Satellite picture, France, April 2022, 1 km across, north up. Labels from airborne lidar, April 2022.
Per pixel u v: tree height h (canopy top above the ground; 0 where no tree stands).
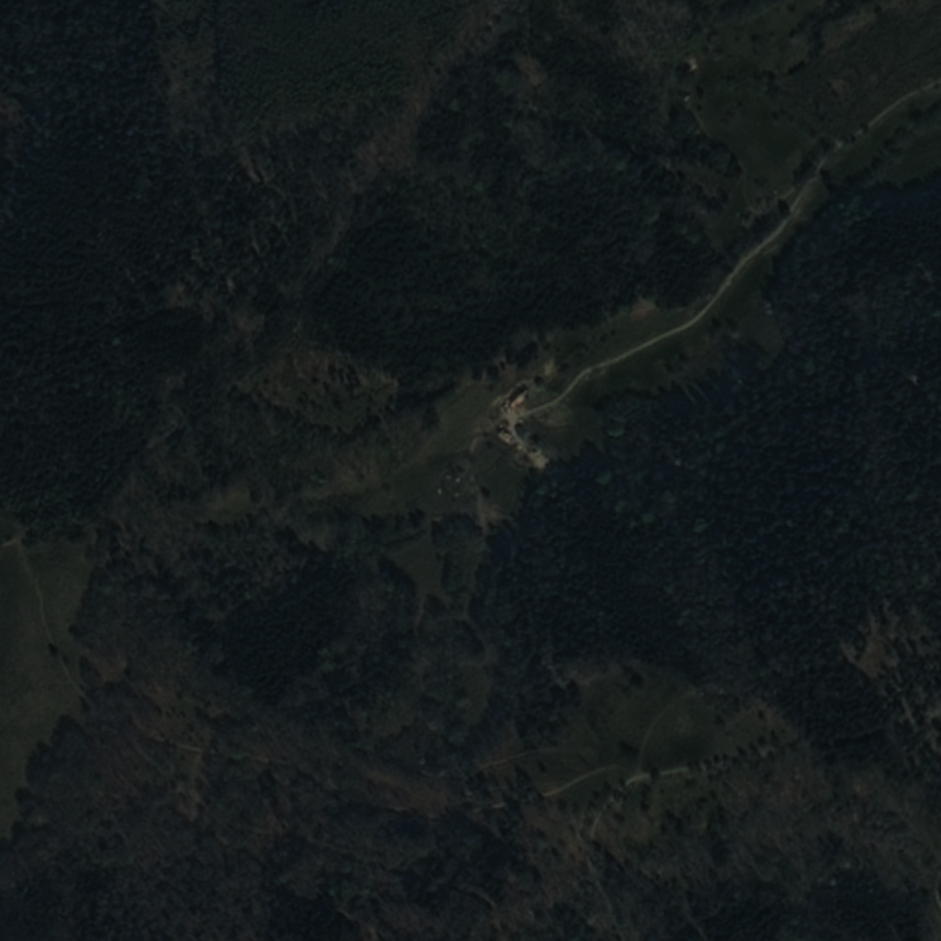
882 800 26
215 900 32
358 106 17
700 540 30
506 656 18
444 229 21
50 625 0
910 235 27
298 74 19
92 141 18
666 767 0
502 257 15
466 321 27
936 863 29
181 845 30
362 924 26
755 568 26
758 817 24
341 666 23
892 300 18
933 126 18
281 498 28
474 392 0
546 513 25
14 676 0
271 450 25
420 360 27
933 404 28
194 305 12
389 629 19
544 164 30
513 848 13
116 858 28
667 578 24
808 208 0
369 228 16
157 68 26
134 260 24
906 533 21
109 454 26
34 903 22
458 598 20
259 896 28
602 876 25
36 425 23
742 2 20
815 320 21
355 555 24
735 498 28
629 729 0
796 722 26
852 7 19
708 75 0
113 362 23
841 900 26
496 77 28
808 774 24
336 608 24
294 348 8
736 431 13
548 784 0
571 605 30
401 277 24
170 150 25
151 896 31
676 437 31
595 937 21
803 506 19
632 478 26
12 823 0
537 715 16
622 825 14
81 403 27
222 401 21
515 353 23
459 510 0
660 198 19
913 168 0
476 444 0
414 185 15
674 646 23
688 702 0
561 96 14
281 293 14
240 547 7
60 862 19
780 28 0
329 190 25
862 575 23
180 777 9
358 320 25
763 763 19
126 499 14
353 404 9
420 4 20
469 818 11
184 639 30
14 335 24
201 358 17
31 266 19
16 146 10
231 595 18
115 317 25
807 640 17
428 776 26
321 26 18
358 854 30
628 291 26
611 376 0
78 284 20
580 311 19
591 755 0
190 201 24
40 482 24
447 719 21
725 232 0
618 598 23
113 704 18
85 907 22
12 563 0
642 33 22
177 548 16
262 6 17
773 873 25
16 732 0
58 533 21
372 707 25
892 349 18
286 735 35
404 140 25
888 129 0
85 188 19
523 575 31
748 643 26
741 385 26
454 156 33
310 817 19
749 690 20
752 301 0
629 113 13
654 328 0
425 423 25
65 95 23
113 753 23
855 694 25
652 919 25
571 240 16
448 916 27
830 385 28
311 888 24
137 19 25
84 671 13
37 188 18
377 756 26
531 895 23
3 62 22
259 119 14
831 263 28
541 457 0
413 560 0
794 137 0
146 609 16
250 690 29
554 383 0
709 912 25
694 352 0
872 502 23
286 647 31
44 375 28
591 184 35
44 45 28
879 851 24
